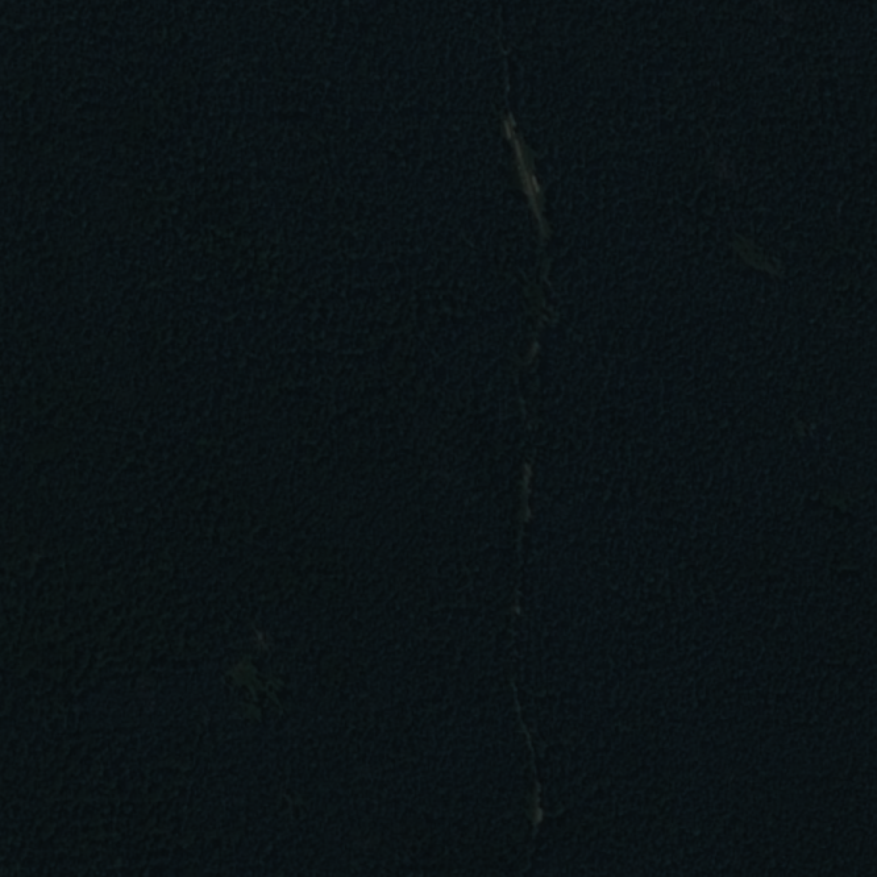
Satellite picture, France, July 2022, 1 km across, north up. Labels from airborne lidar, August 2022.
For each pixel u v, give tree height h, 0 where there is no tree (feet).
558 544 88
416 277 86
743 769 72
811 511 71
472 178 90
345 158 95
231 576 42
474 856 65
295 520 53
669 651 86
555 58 82
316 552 50
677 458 77
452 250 88
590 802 73
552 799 72
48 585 74
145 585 46
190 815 68
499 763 81
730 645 88
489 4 94
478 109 91
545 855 75
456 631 70
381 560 66
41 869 68
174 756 67
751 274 88
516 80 85
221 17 78
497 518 78
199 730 56
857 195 66
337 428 53
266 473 51
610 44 73
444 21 83
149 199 49
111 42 77
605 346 86
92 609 53
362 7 91
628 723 68
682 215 55
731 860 73
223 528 37
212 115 87
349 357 76
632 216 74
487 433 69
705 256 64
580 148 89
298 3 71
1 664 39
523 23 79
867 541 73
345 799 66
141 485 44
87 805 66
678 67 72
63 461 45
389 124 91
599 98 80
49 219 56
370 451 66
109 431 52
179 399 60
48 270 63
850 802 72
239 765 74
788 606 69
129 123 56
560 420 85
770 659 88
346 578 52
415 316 22
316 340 54
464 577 64
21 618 44
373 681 70
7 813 60
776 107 77
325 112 89
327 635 68
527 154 0
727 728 73
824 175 67
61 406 41
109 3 66
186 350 63
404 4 96
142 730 59
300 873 77
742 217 84
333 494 57
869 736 69
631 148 63
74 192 65
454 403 54
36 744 70
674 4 68
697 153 90
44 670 35
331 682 53
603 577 84
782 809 60
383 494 62
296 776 71
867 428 81
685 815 77
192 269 72
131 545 48
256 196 88
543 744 50
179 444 65
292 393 69
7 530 38
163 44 37
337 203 71
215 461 57
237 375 54
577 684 96
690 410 90
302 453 66
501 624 63
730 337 87
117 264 76
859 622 68
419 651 71
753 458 73
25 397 45
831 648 73
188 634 62
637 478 70
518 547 47
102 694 65
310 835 66
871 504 64
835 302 60
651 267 87
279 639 74
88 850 55
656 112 81
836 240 68
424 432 69
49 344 62
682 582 76
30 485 48
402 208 94
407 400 55
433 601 68
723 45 70
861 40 68
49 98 46
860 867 56
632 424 84
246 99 72
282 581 38
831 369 65
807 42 60
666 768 75
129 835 68
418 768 67
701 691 70
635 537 85
